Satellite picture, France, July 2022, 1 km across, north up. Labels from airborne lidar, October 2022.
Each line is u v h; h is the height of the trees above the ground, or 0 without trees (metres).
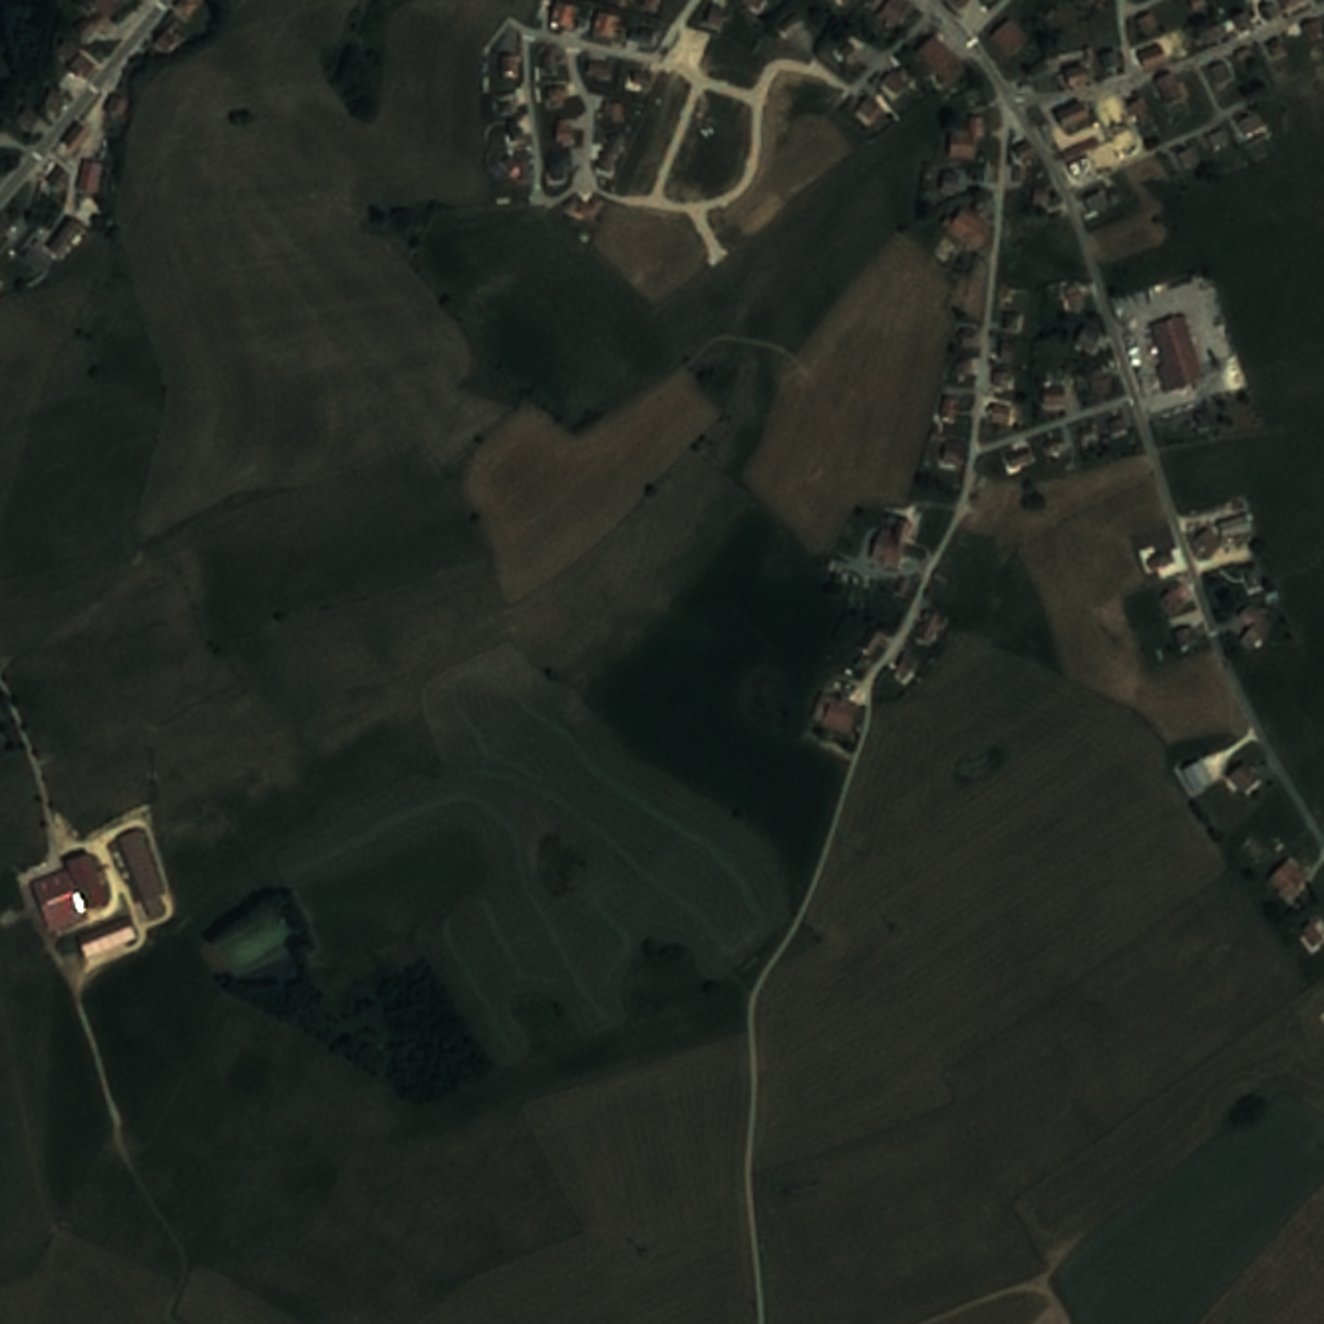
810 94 0
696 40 0
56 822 0
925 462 0
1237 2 0
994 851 0
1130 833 0
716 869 0
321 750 0
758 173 0
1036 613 0
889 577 0
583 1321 0
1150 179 0
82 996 0
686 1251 0
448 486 0
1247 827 0
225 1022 0
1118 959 0
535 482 0
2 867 0
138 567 0
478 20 0
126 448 0
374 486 0
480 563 0
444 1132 0
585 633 0
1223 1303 0
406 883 0
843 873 0
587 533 0
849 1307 0
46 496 0
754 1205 0
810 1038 0
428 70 0
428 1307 0
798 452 0
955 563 0
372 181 0
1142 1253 0
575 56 0
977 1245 0
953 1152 0
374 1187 0
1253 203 0
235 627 0
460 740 0
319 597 0
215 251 0
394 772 0
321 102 0
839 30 12
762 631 0
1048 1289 0
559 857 0
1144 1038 0
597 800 0
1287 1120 0
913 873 0
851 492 0
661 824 0
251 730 0
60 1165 0
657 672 0
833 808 0
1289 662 0
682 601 0
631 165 0
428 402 0
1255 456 0
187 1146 0
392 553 0
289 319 0
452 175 0
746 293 0
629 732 0
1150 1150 0
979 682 0
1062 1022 0
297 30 0
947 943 0
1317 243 0
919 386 0
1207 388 0
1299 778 0
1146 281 0
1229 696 0
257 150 0
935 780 0
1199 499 0
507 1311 0
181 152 0
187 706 0
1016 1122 0
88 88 0
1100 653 0
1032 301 0
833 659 0
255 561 0
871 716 0
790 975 0
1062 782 0
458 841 0
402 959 0
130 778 0
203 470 0
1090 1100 0
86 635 0
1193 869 0
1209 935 0
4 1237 0
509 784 0
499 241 0
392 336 0
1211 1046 0
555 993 0
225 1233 0
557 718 0
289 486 0
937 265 0
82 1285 0
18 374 0
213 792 0
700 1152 0
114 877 0
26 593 0
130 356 0
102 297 0
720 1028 0
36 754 7
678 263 0
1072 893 0
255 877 0
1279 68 0
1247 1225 0
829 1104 0
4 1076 0
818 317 0
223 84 0
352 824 0
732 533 0
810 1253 0
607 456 0
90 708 0
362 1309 0
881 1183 0
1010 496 0
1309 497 0
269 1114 0
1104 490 0
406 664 0
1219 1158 0
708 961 0
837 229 0
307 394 0
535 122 0
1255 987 0
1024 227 0
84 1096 0
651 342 0
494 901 0
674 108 0
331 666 0
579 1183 0
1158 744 0
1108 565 0
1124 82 0
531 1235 0
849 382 0
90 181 0
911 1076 0
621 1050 0
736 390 0
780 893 0
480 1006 0
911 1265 0
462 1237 0
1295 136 0
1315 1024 0
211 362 0
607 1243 0
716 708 0
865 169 0
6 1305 0
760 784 0
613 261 0
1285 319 0
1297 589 0
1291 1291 0
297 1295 0
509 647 0
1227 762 0
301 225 0
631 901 0
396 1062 7
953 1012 0
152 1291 0
